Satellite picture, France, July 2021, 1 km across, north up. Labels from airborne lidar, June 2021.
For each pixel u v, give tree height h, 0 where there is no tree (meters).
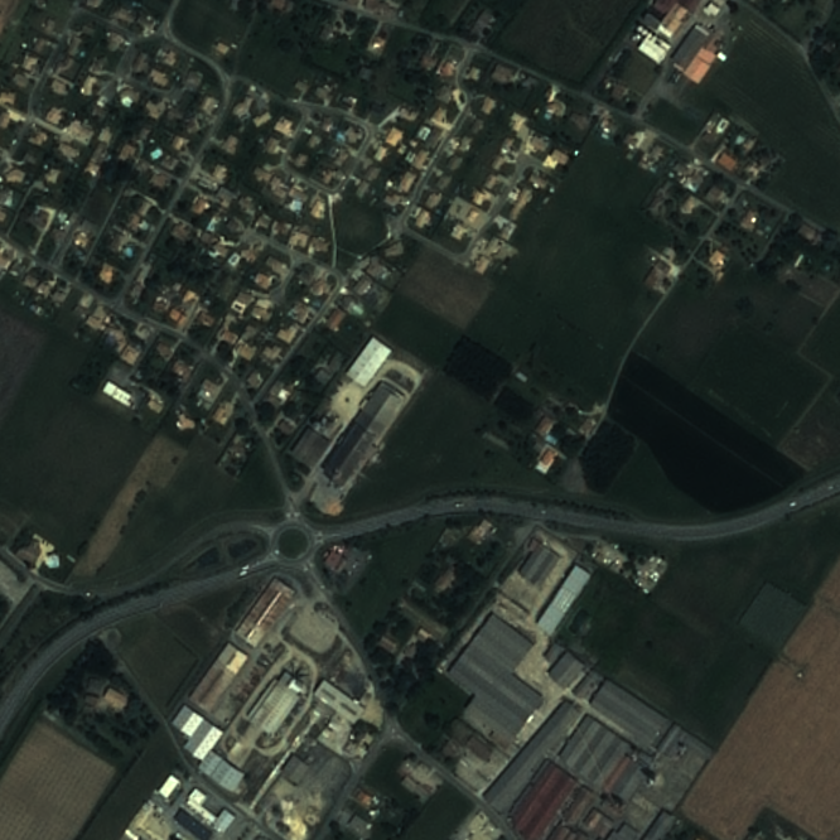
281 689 0
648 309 0
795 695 0
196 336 6
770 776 0
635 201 0
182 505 0
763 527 0
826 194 0
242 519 0
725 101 0
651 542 0
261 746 0
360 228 0
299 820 0
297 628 0
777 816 0
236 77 0
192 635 0
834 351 0
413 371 0
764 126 0
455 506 0
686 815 0
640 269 0
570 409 11
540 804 0
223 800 0
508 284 0
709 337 0
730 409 0
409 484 0
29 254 0
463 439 0
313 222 0
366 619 0
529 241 0
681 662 0
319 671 0
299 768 0
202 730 0
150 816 0
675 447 0
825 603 0
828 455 0
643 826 0
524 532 0
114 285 7
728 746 0
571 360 0
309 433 0
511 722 0
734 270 0
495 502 0
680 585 0
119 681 10
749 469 0
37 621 0
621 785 0
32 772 0
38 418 0
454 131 0
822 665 0
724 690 0
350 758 0
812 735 0
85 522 0
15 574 0
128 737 15
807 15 7
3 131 0
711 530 0
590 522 0
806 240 18
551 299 0
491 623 0
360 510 0
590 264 0
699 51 0
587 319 0
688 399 0
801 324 0
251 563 0
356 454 0
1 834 0
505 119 0
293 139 0
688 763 0
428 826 0
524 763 0
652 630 0
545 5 0
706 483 0
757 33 0
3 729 0
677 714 0
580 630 0
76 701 14
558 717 0
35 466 0
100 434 0
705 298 0
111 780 0
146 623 0
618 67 9
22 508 0
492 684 0
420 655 14
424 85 6
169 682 0
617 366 0
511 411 9
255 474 0
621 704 0
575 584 0
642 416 0
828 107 0
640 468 0
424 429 0
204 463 0
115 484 0
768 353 0
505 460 0
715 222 0
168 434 0
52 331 0
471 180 0
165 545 0
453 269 0
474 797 0
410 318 0
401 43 0
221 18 0
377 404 0
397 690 16
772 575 0
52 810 0
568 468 0
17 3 0
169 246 10
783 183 0
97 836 0
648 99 0
